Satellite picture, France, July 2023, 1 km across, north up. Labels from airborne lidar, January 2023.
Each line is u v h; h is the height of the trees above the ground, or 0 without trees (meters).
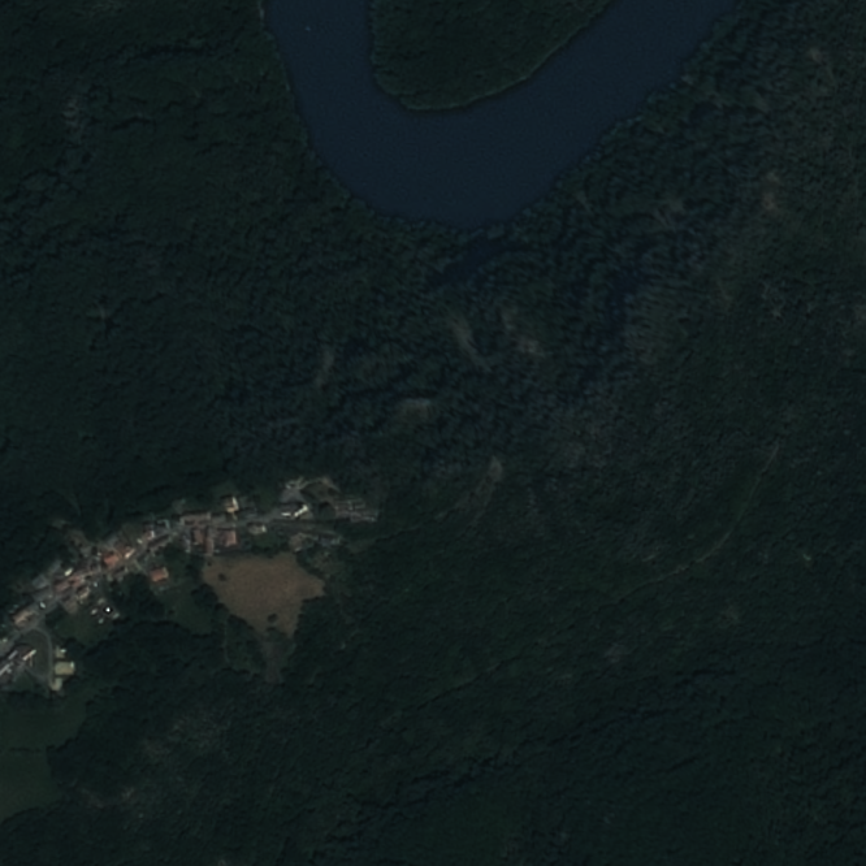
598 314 24
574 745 19
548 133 0
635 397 19
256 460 29
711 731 21
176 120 26
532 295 12
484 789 22
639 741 22
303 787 18
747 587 20
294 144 16
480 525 9
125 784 12
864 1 22
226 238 22
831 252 16
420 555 15
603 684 19
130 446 24
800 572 24
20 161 23
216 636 12
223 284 11
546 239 24
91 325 29
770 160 10
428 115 0
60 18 19
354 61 0
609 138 17
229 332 15
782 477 6
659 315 8
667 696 18
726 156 13
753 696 19
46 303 23
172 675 13
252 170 18
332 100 0
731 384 6
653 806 19
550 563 8
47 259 23
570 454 16
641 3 0
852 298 14
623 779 17
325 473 14
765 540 20
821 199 12
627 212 21
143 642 16
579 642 14
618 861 20
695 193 10
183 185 24
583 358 18
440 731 25
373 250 23
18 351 16
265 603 0
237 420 24
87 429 25
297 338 21
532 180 0
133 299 28
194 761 17
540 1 17
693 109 7
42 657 0
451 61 20
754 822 21
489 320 18
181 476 22
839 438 16
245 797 16
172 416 26
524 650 18
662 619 20
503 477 7
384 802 16
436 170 0
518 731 26
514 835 18
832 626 24
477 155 0
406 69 17
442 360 24
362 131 0
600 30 0
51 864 13
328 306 16
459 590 11
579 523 20
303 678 11
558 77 0
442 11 23
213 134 25
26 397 20
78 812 10
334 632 8
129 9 20
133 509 6
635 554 23
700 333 7
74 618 0
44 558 10
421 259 15
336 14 0
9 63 28
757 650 24
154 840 18
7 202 8
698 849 18
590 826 17
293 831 21
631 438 19
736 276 9
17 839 10
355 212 22
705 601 11
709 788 19
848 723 25
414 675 21
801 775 19
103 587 0
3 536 18
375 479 11
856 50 21
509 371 13
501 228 28
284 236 21
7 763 0
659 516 21
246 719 21
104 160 26
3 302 24
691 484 20
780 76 14
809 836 21
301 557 11
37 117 18
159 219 28
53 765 12
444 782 23
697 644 17
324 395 14
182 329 22
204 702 9
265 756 17
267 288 17
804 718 18
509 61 18
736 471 23
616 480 18
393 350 14
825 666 21
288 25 0
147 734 9
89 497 20
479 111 0
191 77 20
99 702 7
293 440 15
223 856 15
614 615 15
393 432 17
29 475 19
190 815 16
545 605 14
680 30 0
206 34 25
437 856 18
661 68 0
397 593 15
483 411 18
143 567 0
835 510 22
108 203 28
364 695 15
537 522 12
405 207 0
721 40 11
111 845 17
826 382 22
